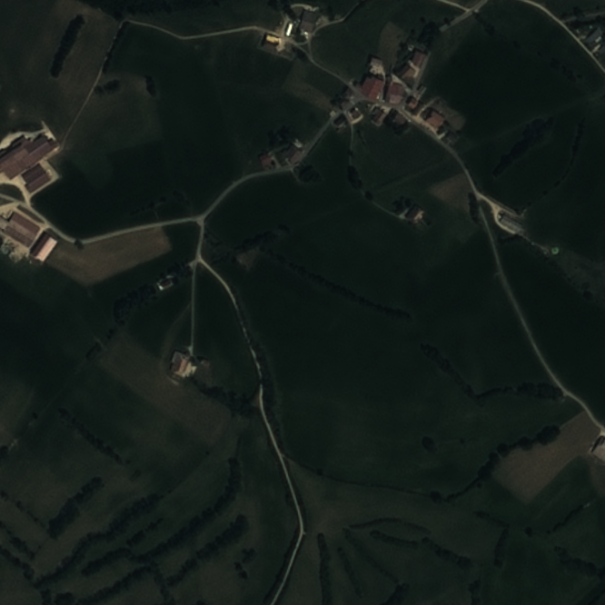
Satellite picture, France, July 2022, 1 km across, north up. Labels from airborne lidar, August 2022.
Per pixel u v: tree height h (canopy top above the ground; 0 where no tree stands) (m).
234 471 17
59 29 0
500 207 0
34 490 0
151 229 0
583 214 0
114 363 0
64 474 0
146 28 0
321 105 0
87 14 0
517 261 0
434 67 0
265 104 0
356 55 0
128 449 0
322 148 0
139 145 0
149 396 0
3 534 0
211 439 0
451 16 0
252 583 0
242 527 21
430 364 0
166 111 0
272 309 0
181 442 0
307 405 0
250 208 0
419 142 0
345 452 0
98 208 0
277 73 0
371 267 0
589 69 0
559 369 0
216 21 0
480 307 0
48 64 0
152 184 0
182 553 0
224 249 0
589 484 0
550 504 0
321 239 0
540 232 0
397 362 0
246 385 0
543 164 0
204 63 0
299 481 0
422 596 0
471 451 0
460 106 0
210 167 0
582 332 0
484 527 0
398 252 0
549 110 0
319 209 0
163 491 0
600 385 0
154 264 0
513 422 0
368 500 0
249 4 0
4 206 0
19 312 0
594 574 12
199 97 0
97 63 0
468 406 0
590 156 0
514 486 0
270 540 0
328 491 0
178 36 0
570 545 0
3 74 0
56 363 0
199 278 0
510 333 0
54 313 0
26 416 0
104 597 19
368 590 0
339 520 0
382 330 0
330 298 0
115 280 0
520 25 0
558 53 0
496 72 0
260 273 0
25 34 0
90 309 0
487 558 0
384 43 0
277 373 0
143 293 15
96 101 0
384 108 0
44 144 0
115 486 0
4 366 0
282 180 0
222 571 0
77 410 0
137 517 19
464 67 0
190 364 10
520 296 0
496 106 0
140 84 0
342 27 0
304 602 0
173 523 0
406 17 0
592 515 0
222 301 0
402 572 0
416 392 0
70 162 0
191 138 0
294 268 14
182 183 0
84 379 0
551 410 0
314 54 0
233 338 0
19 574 0
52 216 0
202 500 0
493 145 0
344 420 0
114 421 0
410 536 0
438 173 0
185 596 0
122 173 0
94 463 0
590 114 0
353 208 0
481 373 0
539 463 0
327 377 0
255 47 0
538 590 0
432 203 0
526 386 15
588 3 0
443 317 0
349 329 0
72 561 19
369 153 0
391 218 0
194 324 0
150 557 16
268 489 0
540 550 0
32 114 0
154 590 0
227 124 0
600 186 0
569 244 0
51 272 0
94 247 0
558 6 0
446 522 0
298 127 0
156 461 0
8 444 0
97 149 0
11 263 0
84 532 0
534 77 0
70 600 15
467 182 0
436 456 0
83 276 0
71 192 0
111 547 0
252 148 0
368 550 0
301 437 0
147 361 0
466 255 0
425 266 0
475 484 7
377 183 0
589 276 0
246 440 0
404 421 0
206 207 0
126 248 0
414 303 0
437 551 16
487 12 0
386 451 0
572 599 0
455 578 0
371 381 0
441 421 0
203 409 0
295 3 0
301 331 0
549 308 0
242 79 0
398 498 0
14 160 0
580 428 0
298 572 0
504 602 0
